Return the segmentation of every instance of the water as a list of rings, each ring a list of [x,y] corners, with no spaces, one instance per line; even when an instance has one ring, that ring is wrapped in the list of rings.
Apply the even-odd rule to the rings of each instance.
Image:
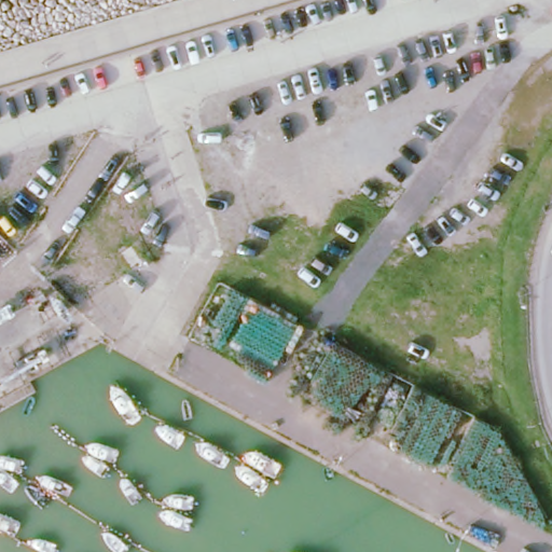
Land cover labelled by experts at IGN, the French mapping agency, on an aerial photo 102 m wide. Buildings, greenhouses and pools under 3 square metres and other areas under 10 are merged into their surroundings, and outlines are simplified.
[[[168,380],[155,375],[147,367],[138,364],[136,360],[119,351],[110,351],[104,345],[95,345],[93,349],[84,351],[82,356],[65,364],[47,369],[43,375],[32,380],[32,395],[26,401],[11,405],[0,414],[0,552],[483,552],[481,548],[459,539],[457,535],[423,520],[420,515],[339,474],[336,470],[330,470],[319,461],[267,438],[254,427],[201,401],[192,392],[170,384]]]

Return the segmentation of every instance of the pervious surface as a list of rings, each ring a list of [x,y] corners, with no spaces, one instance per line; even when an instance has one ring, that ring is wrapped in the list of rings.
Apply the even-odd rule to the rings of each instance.
[[[173,233],[164,207],[160,207],[160,203],[153,196],[151,179],[142,173],[142,164],[129,151],[121,151],[108,162],[104,177],[93,183],[93,192],[82,203],[80,220],[67,220],[63,224],[65,235],[52,242],[50,252],[45,254],[39,267],[45,280],[52,282],[58,291],[65,306],[78,306],[86,302],[86,298],[95,289],[112,287],[121,276],[129,276],[132,270],[142,270],[147,261],[160,261],[164,257],[166,242]]]
[[[47,192],[52,192],[54,179],[63,175],[65,151],[58,142],[52,142],[50,147],[28,147],[11,155],[0,155],[0,229],[9,237],[13,237],[17,229],[26,229],[32,222],[41,222],[39,207],[47,198]]]
[[[0,54],[26,47],[30,43],[43,43],[54,37],[80,32],[112,19],[121,19],[129,13],[140,13],[144,9],[144,0],[0,0]]]
[[[457,345],[461,351],[470,349],[474,354],[470,362],[461,367],[470,384],[487,384],[487,380],[492,380],[489,332],[481,330],[474,336],[457,336]]]

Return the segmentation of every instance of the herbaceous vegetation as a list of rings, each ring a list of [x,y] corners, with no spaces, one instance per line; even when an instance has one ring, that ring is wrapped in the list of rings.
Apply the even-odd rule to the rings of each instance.
[[[254,300],[261,306],[278,311],[280,317],[291,313],[302,328],[315,328],[315,323],[321,319],[321,313],[317,313],[313,306],[317,306],[328,293],[332,293],[336,282],[349,267],[345,263],[347,257],[356,250],[362,250],[369,244],[377,224],[386,218],[388,207],[380,205],[388,192],[382,181],[371,179],[367,181],[367,194],[358,194],[354,198],[336,203],[323,226],[311,226],[306,218],[298,216],[257,220],[254,229],[261,229],[259,237],[246,239],[244,248],[237,250],[237,254],[222,254],[222,267],[213,276],[220,282],[229,285],[233,291],[246,295],[248,300]]]
[[[507,449],[511,451],[511,455],[515,457],[515,461],[520,464],[524,481],[528,483],[539,502],[539,509],[543,513],[543,528],[546,533],[552,533],[552,442],[548,442],[546,420],[535,397],[533,382],[528,380],[526,349],[530,347],[530,315],[535,313],[535,293],[528,280],[530,261],[535,254],[535,242],[541,231],[543,218],[552,209],[552,116],[543,119],[535,144],[528,151],[528,164],[518,173],[518,177],[509,183],[507,192],[496,201],[496,205],[507,207],[507,218],[502,220],[498,242],[489,244],[487,239],[479,239],[477,244],[457,246],[451,252],[444,250],[442,244],[431,250],[423,250],[414,233],[401,237],[397,248],[386,257],[386,261],[375,270],[371,280],[362,287],[360,295],[356,298],[345,317],[345,323],[332,326],[330,332],[326,332],[326,343],[330,343],[334,349],[351,351],[354,356],[373,364],[375,373],[380,375],[397,373],[399,380],[410,384],[410,390],[427,392],[429,397],[436,397],[455,410],[466,410],[472,418],[496,429],[505,440]],[[461,367],[470,362],[474,354],[470,349],[461,351],[457,345],[457,336],[474,336],[481,330],[489,332],[492,380],[487,380],[487,384],[470,384]]]

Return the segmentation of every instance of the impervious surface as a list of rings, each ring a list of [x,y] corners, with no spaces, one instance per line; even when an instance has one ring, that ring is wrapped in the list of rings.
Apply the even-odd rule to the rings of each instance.
[[[535,254],[530,261],[528,280],[535,293],[535,313],[530,315],[530,347],[526,349],[528,380],[533,382],[535,397],[546,420],[548,442],[552,442],[552,209],[543,218],[541,231],[535,242]]]
[[[453,468],[449,464],[429,466],[405,455],[403,451],[399,451],[397,442],[388,431],[382,431],[380,427],[373,429],[367,423],[360,423],[347,427],[345,431],[334,431],[332,425],[323,420],[319,414],[323,405],[311,408],[311,392],[300,392],[298,397],[293,397],[293,377],[300,375],[300,367],[308,367],[308,356],[313,351],[330,354],[334,349],[330,343],[326,343],[326,332],[330,332],[332,326],[345,323],[345,317],[356,298],[360,295],[362,287],[371,280],[375,270],[386,261],[386,257],[397,248],[401,237],[414,233],[423,250],[431,250],[442,244],[444,250],[451,252],[457,246],[477,244],[479,239],[487,239],[489,244],[498,242],[502,220],[507,218],[507,207],[496,205],[496,201],[507,192],[509,183],[518,177],[518,173],[528,164],[528,151],[535,144],[543,119],[552,116],[552,0],[144,0],[144,9],[140,13],[129,13],[121,19],[112,19],[80,32],[54,37],[43,43],[30,43],[26,47],[0,54],[0,155],[11,155],[28,147],[50,147],[52,142],[58,142],[65,151],[63,175],[54,179],[52,192],[47,192],[47,198],[39,207],[41,222],[32,222],[26,229],[17,229],[13,237],[9,237],[0,229],[0,414],[11,405],[26,401],[32,395],[32,380],[43,375],[47,369],[65,364],[82,356],[84,351],[93,349],[95,345],[104,345],[110,351],[119,351],[136,360],[138,364],[147,367],[155,375],[168,380],[170,384],[192,392],[201,401],[254,427],[267,438],[319,461],[330,470],[336,470],[339,474],[420,515],[423,520],[457,535],[459,539],[481,548],[483,552],[552,552],[552,533],[546,533],[543,528],[535,522],[526,522],[518,513],[500,509],[494,502],[487,502],[481,492],[474,492],[464,483],[455,481]],[[121,151],[129,151],[142,164],[142,173],[151,179],[153,196],[160,203],[160,207],[164,207],[173,233],[166,242],[164,257],[160,261],[147,261],[142,270],[132,270],[129,276],[121,276],[112,287],[95,289],[86,298],[86,302],[78,306],[65,306],[58,291],[52,282],[45,280],[39,267],[45,254],[50,252],[52,242],[65,235],[63,224],[67,220],[80,220],[82,203],[93,192],[93,183],[104,177],[108,162]],[[280,371],[278,375],[265,373],[263,377],[259,377],[246,367],[237,367],[224,360],[209,347],[201,349],[196,345],[190,345],[181,328],[194,313],[194,308],[201,304],[201,298],[207,291],[207,285],[213,276],[222,267],[222,254],[237,254],[237,250],[244,248],[246,239],[259,237],[261,229],[254,229],[257,220],[298,216],[306,218],[311,226],[323,226],[336,203],[354,198],[358,194],[367,194],[367,181],[371,179],[382,181],[388,192],[380,205],[388,207],[386,218],[377,224],[369,244],[362,250],[356,250],[347,257],[345,263],[349,267],[336,282],[332,293],[328,293],[317,306],[313,306],[317,313],[321,313],[321,319],[315,323],[315,328],[302,328],[302,336],[298,339],[293,351],[287,354],[285,371]]]

